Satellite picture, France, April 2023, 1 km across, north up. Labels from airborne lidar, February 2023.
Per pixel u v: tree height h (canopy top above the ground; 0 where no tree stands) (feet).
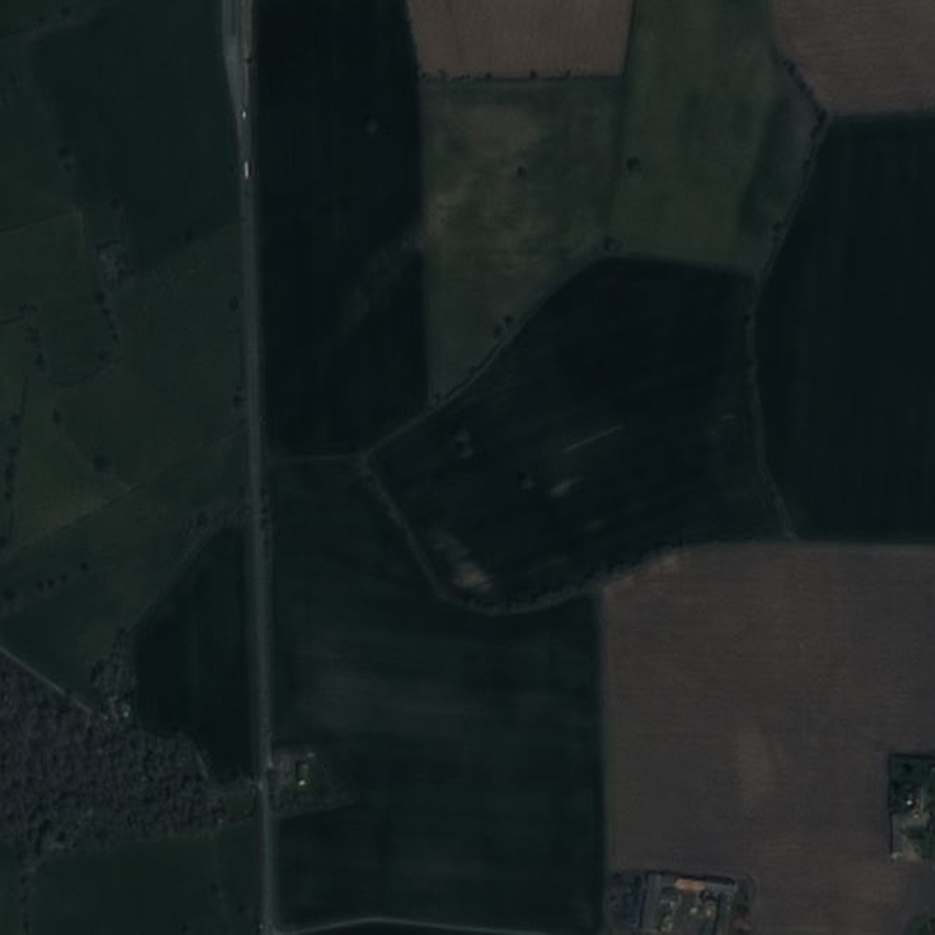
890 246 0
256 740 0
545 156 0
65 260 0
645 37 0
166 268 0
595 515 0
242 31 0
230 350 0
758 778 0
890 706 0
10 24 0
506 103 0
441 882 0
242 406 47
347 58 0
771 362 0
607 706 0
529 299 0
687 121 0
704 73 0
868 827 0
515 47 0
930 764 18
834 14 0
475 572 0
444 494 0
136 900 0
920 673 0
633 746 0
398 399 0
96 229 0
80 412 0
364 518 0
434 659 0
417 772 0
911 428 0
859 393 0
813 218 0
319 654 0
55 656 0
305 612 0
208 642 0
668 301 0
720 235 0
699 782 0
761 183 0
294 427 0
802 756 0
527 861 0
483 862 0
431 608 0
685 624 0
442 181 0
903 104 0
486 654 0
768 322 0
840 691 0
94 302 0
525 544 0
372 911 0
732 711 0
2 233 0
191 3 0
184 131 0
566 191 0
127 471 0
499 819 0
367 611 0
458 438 40
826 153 0
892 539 0
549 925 0
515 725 0
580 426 0
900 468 0
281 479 0
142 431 0
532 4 0
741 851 0
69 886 0
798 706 0
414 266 0
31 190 0
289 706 0
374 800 0
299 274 0
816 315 0
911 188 0
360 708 0
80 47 0
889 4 0
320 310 0
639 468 0
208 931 0
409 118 0
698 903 0
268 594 0
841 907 0
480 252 0
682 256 0
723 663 0
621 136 0
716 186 0
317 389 0
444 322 0
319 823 0
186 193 0
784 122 0
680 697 0
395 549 0
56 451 0
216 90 0
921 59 0
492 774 0
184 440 0
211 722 0
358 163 0
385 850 0
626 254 28
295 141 0
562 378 0
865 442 0
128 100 0
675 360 0
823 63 0
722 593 0
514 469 0
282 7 0
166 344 0
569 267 0
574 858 0
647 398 0
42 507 0
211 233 0
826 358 0
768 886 0
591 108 0
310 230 0
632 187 0
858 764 0
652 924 0
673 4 0
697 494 0
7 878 0
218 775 0
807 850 0
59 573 0
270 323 0
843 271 0
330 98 0
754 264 0
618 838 0
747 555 0
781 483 0
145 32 0
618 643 0
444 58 0
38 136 0
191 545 0
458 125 0
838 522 0
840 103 0
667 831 0
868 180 0
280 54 0
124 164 0
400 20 0
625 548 0
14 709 70
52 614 0
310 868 0
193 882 0
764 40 0
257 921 21
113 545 0
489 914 0
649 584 0
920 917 0
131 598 0
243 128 0
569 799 0
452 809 0
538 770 0
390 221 0
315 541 0
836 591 0
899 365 0
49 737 75
